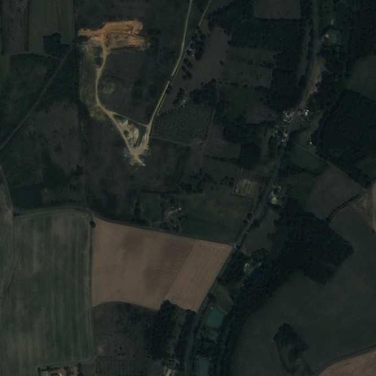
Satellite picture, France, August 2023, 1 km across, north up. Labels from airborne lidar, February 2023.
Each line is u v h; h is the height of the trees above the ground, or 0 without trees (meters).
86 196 0
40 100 0
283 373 0
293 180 0
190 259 0
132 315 0
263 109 0
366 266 0
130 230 0
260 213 0
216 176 0
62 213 0
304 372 0
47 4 0
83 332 0
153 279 0
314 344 0
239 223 0
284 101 21
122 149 0
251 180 0
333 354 0
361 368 0
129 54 0
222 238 0
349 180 0
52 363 0
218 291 0
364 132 21
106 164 0
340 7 0
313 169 0
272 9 0
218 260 0
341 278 0
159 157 0
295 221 11
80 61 0
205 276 0
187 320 8
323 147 18
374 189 0
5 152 0
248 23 16
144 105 0
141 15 0
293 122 0
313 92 0
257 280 29
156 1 0
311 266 18
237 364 0
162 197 8
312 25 11
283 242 0
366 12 26
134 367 0
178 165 0
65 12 0
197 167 0
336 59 6
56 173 0
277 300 0
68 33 0
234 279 19
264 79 0
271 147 7
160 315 19
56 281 0
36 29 0
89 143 0
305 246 17
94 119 0
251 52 0
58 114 0
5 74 0
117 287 0
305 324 0
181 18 0
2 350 0
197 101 10
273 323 0
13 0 0
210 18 11
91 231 0
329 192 0
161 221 0
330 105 10
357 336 0
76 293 0
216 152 0
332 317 0
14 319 0
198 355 7
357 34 24
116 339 0
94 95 0
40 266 0
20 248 0
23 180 0
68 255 0
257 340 0
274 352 0
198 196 0
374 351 0
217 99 11
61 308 0
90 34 0
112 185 0
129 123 0
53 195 0
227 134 14
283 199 7
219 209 0
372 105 18
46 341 0
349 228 0
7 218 0
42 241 0
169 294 0
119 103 0
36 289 0
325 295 0
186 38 0
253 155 18
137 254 0
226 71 0
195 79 0
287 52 23
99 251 0
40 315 0
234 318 22
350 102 19
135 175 0
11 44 0
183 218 8
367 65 0
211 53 0
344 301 0
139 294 0
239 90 0
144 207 0
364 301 0
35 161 0
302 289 0
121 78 0
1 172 0
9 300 0
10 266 0
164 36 0
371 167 0
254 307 22
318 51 0
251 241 0
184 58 0
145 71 0
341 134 18
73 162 0
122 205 0
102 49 0
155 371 0
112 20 0
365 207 0
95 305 0
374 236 0
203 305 0
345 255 15
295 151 0
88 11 0
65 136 0
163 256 0
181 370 10
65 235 0
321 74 0
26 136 0
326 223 10
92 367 0
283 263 21
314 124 0
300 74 0
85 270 0
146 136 0
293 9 0
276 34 12
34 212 0
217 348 7
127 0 0
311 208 0
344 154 13
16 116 0
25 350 0
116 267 0
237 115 0
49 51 8
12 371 0
